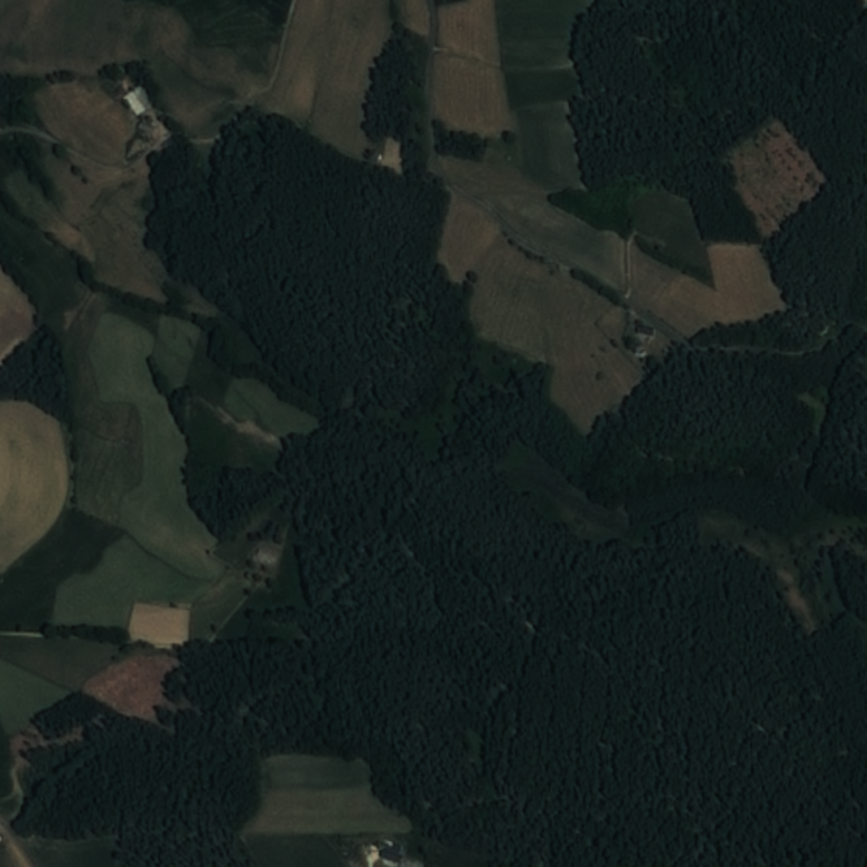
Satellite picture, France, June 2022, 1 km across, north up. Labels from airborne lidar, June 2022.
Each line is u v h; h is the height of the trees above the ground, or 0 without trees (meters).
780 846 28
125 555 0
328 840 0
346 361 19
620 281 0
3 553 0
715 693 17
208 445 0
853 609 27
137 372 0
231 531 30
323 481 14
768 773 26
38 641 0
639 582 23
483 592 20
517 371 11
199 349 0
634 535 7
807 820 24
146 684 0
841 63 25
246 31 0
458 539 22
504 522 31
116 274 0
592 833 22
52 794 26
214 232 33
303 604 0
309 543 9
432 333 14
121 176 0
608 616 15
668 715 21
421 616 22
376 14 0
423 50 0
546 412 17
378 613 28
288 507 15
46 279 0
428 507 23
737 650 22
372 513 24
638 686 18
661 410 19
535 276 0
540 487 0
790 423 18
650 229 0
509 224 0
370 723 16
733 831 25
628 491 12
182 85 0
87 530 0
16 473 0
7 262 23
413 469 27
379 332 19
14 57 0
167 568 0
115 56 0
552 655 28
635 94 20
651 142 16
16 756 0
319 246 26
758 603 24
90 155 0
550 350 0
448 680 24
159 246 18
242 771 16
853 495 18
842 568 24
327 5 0
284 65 0
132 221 0
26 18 0
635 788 22
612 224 13
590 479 19
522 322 0
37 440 0
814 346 7
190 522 0
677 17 25
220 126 0
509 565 29
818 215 28
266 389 0
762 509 15
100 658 0
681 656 24
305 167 23
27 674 0
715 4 25
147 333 0
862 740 15
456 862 0
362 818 0
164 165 22
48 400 22
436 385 21
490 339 0
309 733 19
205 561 0
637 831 21
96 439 0
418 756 22
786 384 19
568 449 21
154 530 0
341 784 0
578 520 0
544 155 0
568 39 0
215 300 20
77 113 0
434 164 0
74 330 0
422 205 20
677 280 0
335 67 0
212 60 0
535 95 0
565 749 26
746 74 24
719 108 16
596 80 22
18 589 0
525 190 0
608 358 0
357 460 26
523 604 28
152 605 0
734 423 22
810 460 11
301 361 29
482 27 0
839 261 21
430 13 0
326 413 9
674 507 13
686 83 14
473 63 0
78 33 0
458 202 0
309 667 19
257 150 30
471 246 0
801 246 26
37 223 11
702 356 22
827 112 24
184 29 0
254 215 31
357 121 0
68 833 16
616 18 24
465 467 24
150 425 0
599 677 20
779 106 23
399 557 27
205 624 0
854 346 16
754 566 27
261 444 0
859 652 21
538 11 0
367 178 16
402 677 27
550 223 0
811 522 0
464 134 13
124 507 0
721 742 18
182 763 22
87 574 0
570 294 0
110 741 28
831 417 18
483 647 22
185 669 15
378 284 18
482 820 17
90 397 0
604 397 0
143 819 22
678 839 16
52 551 0
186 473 18
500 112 0
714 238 16
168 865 18
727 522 0
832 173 25
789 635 16
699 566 19
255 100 0
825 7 14
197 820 14
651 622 18
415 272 20
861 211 22
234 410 0
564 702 22
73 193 0
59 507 0
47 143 0
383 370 14
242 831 8
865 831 27
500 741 24
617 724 23
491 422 29
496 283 0
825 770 18
